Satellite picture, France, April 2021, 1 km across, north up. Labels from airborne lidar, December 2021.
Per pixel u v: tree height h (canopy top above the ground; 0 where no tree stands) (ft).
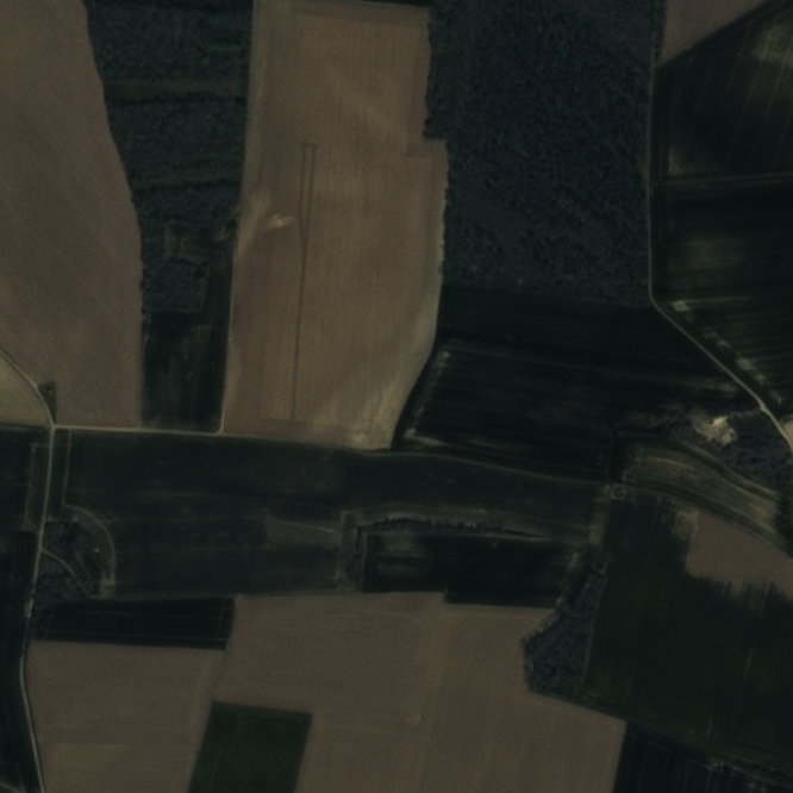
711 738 0
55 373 0
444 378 0
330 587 0
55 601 25
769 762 0
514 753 0
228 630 0
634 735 0
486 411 0
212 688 0
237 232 0
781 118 0
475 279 52
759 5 0
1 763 0
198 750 0
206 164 61
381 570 0
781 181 0
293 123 0
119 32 32
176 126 65
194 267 18
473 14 83
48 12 0
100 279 0
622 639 0
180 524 0
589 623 57
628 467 0
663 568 0
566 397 0
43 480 0
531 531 0
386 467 0
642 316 0
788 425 0
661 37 20
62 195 0
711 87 0
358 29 0
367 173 0
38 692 0
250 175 0
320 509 0
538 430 0
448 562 0
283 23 0
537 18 36
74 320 0
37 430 0
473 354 0
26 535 0
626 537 0
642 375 0
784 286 0
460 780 0
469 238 39
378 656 0
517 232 32
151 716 0
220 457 0
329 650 0
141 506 0
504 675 0
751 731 0
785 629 0
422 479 0
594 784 0
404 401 0
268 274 0
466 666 0
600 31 43
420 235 0
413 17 0
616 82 44
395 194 0
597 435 0
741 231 0
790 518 0
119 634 0
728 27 0
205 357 0
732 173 0
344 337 0
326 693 0
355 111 0
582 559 0
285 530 0
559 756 0
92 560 0
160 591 0
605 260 25
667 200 0
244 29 38
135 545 0
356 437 0
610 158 54
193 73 58
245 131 50
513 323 0
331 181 0
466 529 29
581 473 0
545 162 62
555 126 54
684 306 0
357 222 0
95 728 0
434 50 22
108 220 0
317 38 0
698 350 0
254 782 0
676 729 0
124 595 0
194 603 0
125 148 47
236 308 0
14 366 0
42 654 0
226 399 0
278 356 0
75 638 0
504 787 0
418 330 0
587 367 0
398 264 0
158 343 0
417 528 29
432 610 0
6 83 0
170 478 0
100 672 0
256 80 0
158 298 35
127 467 0
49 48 0
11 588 0
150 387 0
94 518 0
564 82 62
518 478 0
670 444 0
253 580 0
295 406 0
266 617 0
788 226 0
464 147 47
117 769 0
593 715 0
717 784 0
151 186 0
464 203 28
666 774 0
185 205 31
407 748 0
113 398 0
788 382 0
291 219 0
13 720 0
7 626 0
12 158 0
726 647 0
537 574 0
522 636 0
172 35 31
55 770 0
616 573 0
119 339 0
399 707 0
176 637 0
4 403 0
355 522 0
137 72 53
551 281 24
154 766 0
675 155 0
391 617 0
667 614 0
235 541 0
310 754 0
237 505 0
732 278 0
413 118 0
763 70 0
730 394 0
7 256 0
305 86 0
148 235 28
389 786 0
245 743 0
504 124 52
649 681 0
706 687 0
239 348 0
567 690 44
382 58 0
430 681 0
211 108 64
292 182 0
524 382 0
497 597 0
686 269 0
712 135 0
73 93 0
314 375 0
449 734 0
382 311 0
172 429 0
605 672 0
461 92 76
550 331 0
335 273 0
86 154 0
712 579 0
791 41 0
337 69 0
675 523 0
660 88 0
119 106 43
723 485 0
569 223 56
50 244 0
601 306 0
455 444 0
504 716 0
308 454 0
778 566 0
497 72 62
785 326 0
